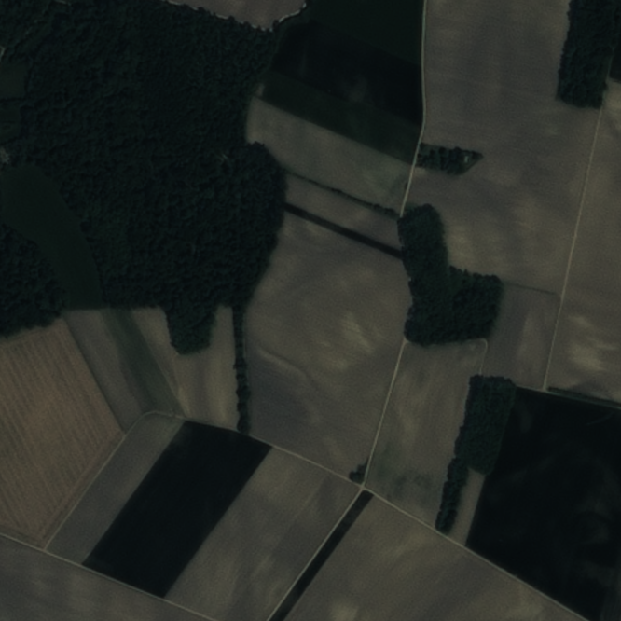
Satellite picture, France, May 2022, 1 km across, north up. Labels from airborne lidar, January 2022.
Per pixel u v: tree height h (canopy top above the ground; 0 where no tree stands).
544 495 0
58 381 0
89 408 0
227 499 0
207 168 20
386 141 0
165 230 16
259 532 0
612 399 0
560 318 0
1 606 0
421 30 0
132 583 0
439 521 0
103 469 0
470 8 0
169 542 0
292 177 0
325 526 0
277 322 0
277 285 0
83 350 0
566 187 0
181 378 0
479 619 0
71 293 0
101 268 18
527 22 0
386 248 0
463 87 0
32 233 0
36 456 0
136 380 0
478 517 0
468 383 0
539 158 0
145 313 0
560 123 0
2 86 0
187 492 0
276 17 0
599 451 0
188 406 0
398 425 0
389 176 0
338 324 0
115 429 0
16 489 0
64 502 0
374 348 0
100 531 0
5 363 0
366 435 0
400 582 0
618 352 0
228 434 0
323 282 0
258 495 0
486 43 0
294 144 0
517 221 0
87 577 0
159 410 0
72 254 0
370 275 0
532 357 0
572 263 0
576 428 0
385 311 0
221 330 0
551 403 0
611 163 0
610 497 0
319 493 0
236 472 0
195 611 0
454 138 0
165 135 21
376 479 0
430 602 0
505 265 0
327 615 0
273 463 0
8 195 0
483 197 0
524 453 0
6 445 0
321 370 0
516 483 0
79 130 20
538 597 0
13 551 0
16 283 24
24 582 0
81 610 0
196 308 23
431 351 0
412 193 0
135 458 0
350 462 0
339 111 0
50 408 0
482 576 0
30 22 20
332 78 0
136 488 0
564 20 0
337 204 0
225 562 0
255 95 0
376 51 0
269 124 0
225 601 0
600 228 0
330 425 0
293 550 0
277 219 33
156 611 0
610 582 0
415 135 0
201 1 0
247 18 0
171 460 0
